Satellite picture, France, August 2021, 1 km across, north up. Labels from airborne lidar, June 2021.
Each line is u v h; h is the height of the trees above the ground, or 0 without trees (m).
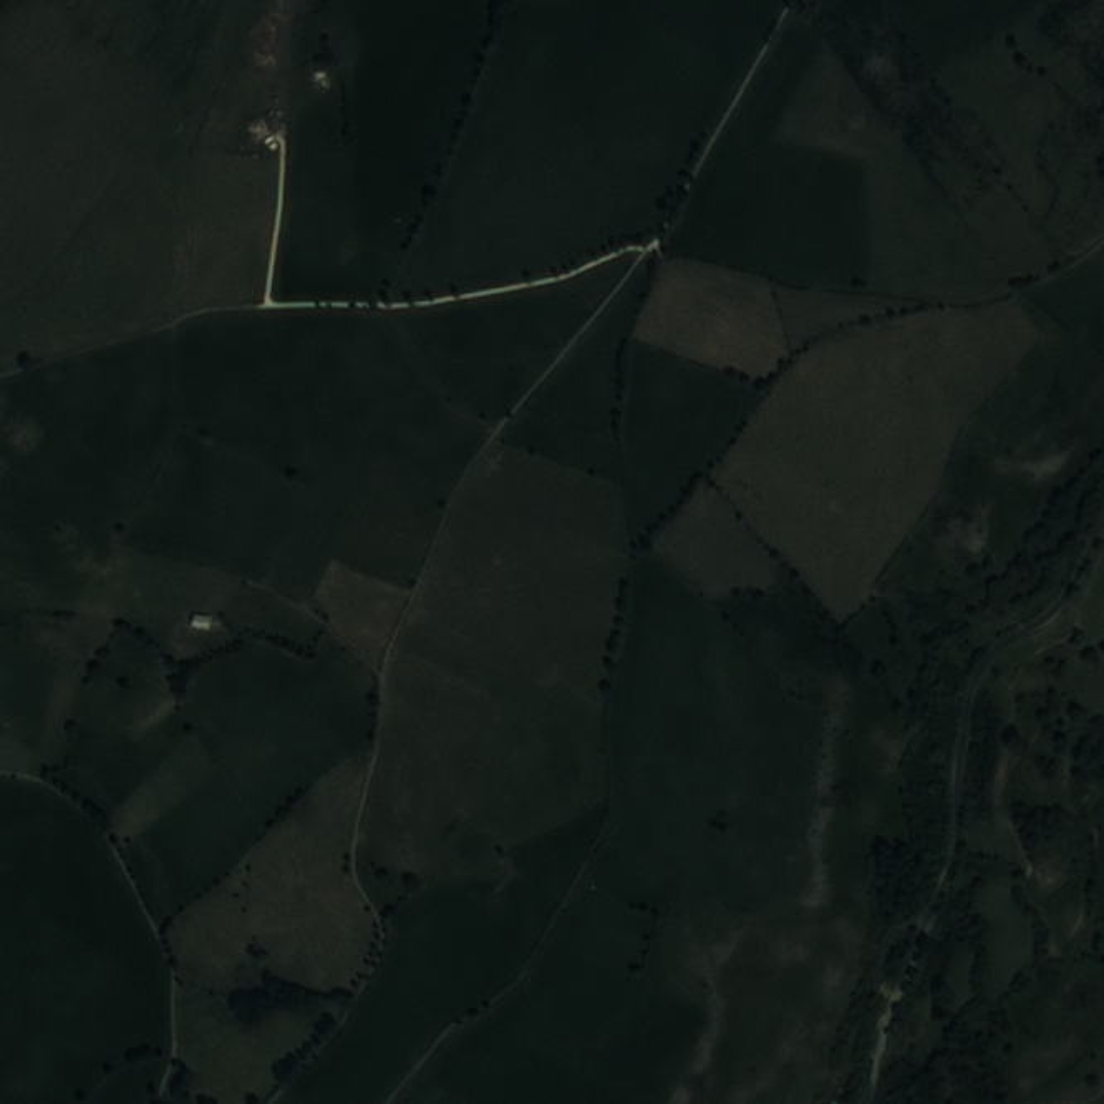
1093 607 0
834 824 0
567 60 0
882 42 0
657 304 0
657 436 0
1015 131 0
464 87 0
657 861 0
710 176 0
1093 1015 0
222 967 0
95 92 0
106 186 0
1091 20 0
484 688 0
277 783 0
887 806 0
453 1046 0
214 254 0
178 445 0
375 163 0
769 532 0
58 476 0
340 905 0
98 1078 0
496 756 0
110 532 0
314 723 0
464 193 0
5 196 0
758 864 0
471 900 0
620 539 0
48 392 0
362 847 0
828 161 0
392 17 0
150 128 0
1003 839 0
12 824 0
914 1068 14
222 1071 0
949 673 7
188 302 0
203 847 0
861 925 0
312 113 0
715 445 0
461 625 0
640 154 0
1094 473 7
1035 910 11
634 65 0
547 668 0
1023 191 0
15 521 0
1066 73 0
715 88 0
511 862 0
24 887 0
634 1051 0
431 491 0
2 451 0
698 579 0
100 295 0
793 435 0
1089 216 0
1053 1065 0
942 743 6
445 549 0
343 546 0
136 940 0
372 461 0
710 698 0
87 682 8
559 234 0
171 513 0
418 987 0
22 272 0
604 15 0
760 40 0
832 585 0
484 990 0
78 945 0
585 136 0
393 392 0
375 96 0
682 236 0
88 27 0
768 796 0
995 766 8
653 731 0
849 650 11
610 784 0
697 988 0
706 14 0
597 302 0
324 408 0
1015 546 0
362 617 0
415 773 0
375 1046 0
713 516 0
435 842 0
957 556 0
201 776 0
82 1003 0
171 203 0
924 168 0
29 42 0
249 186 0
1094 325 0
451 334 0
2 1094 0
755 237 0
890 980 10
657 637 0
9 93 0
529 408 0
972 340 0
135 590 0
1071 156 0
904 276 0
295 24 0
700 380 0
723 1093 0
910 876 19
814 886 0
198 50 0
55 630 0
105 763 0
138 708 0
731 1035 0
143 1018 0
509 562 0
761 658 0
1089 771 18
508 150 0
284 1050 0
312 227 0
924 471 0
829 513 0
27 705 0
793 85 0
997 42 0
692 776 0
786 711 0
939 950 11
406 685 0
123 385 0
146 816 0
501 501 0
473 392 0
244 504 0
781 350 0
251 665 0
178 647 0
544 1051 0
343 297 0
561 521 0
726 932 0
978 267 0
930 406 0
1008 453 0
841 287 0
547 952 0
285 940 0
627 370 8
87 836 0
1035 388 0
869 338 0
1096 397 0
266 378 0
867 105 0
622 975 0
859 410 0
